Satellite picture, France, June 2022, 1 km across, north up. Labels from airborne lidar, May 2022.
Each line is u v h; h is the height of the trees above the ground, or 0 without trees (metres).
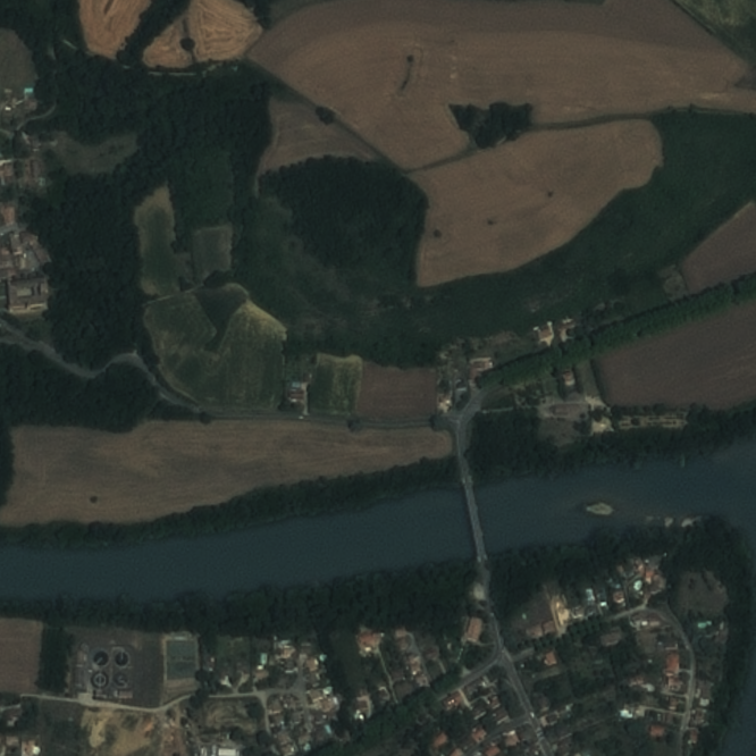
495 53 0
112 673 0
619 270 13
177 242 10
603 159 0
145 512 0
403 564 0
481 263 0
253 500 11
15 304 0
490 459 16
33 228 14
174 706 0
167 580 0
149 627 16
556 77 0
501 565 22
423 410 0
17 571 0
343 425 0
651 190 6
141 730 0
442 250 0
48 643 6
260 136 17
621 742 6
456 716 13
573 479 0
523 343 0
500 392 0
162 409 13
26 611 9
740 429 30
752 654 0
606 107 0
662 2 0
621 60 0
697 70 0
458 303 8
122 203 7
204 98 21
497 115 15
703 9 0
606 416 7
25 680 0
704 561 10
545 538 0
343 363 0
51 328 14
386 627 7
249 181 11
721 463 0
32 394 23
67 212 18
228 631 16
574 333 13
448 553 0
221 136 15
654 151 0
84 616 12
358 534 0
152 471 0
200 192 10
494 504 0
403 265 10
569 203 0
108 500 0
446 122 0
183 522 13
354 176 22
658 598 11
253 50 0
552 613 0
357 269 9
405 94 0
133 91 26
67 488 0
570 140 0
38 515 0
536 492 0
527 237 0
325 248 12
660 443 16
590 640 20
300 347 12
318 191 19
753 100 0
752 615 19
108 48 0
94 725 0
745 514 0
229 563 0
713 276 0
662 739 10
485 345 7
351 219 14
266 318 0
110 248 26
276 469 0
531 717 0
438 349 6
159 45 0
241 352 0
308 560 0
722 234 0
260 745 13
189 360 0
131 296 18
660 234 7
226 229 0
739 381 0
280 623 29
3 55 0
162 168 18
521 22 0
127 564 0
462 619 10
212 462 0
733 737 0
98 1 0
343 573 0
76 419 17
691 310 28
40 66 15
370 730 25
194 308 0
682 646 7
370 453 0
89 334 34
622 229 7
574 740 10
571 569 18
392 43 0
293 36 0
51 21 9
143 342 11
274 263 7
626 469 0
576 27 0
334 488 8
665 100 0
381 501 0
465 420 0
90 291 15
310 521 0
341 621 26
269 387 0
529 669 10
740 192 5
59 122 21
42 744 0
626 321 6
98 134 18
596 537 24
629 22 0
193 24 0
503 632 9
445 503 0
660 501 0
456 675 17
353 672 0
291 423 0
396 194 12
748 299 27
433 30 0
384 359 8
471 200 0
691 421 12
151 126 10
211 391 0
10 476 15
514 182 0
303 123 0
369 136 0
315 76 0
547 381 0
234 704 0
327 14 0
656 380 0
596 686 9
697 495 0
